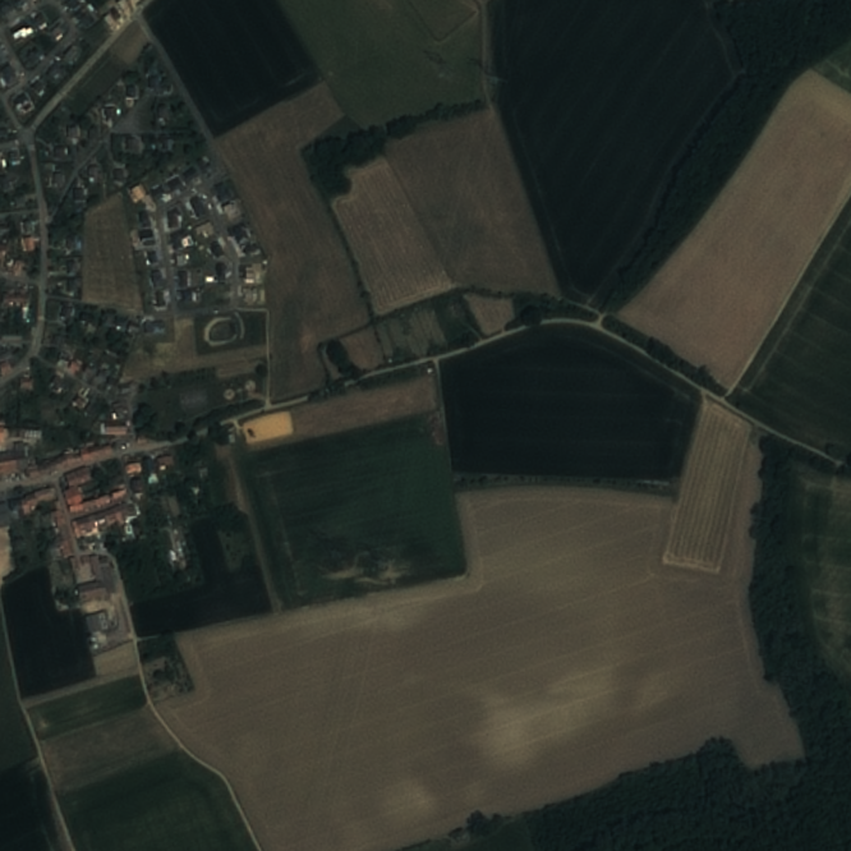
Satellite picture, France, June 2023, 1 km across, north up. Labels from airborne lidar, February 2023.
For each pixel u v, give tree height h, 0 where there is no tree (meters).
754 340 0
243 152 0
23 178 0
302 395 0
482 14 0
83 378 0
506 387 0
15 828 0
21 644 0
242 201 0
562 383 0
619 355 0
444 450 0
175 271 0
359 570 0
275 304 0
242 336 0
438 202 0
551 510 0
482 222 0
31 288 0
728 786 25
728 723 0
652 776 6
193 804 0
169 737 0
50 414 0
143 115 0
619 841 23
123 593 0
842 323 0
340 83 0
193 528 0
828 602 0
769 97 18
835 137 0
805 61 13
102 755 0
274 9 0
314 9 0
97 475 13
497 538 0
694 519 0
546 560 0
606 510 0
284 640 0
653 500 0
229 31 0
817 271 0
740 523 0
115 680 0
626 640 0
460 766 0
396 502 0
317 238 0
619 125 0
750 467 0
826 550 0
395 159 0
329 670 0
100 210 0
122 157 8
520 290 0
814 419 0
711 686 0
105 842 0
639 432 0
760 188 0
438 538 0
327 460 0
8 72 0
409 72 0
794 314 0
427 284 0
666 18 0
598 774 0
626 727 0
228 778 0
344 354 17
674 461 0
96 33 0
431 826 0
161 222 0
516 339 0
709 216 0
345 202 0
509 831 0
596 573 0
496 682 0
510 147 0
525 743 0
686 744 0
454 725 0
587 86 0
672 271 0
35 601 0
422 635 0
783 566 6
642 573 0
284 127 0
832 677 13
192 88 0
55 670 0
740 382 0
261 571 0
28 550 0
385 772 0
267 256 0
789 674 21
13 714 0
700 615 0
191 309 0
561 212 0
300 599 0
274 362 0
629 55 0
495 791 0
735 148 16
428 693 0
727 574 0
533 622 0
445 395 0
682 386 0
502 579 0
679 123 0
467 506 0
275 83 0
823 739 6
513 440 0
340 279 0
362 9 0
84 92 0
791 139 0
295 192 0
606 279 0
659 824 22
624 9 0
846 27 17
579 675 0
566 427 0
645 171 0
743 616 0
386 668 0
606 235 0
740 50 15
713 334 0
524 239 0
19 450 0
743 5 14
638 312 0
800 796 10
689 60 0
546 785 0
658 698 0
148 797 0
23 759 0
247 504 0
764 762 0
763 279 0
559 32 0
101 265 0
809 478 0
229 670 0
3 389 0
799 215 0
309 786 0
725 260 0
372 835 0
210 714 0
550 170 0
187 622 0
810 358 0
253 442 0
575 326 0
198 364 0
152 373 0
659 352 17
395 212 0
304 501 0
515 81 0
